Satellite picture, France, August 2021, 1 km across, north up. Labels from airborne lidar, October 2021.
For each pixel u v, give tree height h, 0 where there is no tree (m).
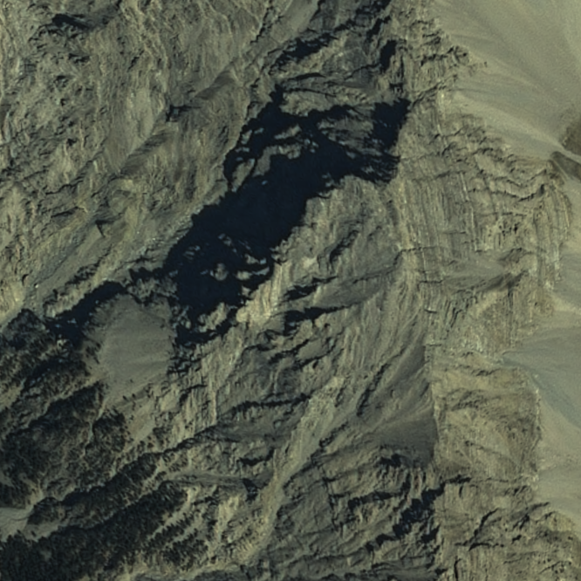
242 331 0
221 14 0
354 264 0
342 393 0
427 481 0
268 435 0
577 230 0
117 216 0
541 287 0
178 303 0
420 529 0
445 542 0
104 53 0
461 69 0
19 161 0
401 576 0
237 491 0
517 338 0
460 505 0
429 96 0
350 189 0
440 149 0
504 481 0
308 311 0
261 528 0
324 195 0
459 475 0
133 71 0
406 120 0
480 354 0
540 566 0
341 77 0
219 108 0
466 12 0
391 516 0
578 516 0
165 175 0
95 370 0
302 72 0
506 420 0
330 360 0
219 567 0
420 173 0
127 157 0
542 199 0
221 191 0
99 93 0
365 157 0
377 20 0
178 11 0
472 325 0
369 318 0
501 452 0
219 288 0
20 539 10
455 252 0
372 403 0
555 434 0
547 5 0
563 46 0
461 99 0
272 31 0
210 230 0
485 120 0
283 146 0
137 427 0
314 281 0
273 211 0
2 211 0
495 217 0
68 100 0
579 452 0
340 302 0
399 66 0
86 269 0
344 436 0
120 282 0
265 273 0
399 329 0
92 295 0
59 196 0
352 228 0
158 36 0
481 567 0
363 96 0
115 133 0
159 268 0
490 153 0
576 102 0
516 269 0
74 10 0
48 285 0
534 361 0
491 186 0
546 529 0
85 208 0
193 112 0
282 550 0
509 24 0
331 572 0
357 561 0
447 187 0
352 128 0
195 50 0
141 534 8
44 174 0
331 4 0
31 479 9
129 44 0
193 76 0
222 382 0
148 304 0
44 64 0
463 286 0
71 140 0
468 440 0
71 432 7
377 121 0
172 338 0
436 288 0
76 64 0
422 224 0
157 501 7
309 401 0
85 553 8
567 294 0
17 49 0
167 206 0
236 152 0
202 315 0
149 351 0
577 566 0
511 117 0
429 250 0
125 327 0
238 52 0
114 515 5
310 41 0
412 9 0
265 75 0
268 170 0
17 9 0
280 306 0
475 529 0
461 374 0
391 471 0
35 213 0
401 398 0
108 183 0
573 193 0
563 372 0
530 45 0
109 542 11
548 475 0
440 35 0
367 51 0
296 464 0
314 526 0
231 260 0
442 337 0
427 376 0
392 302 0
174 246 0
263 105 0
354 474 0
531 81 0
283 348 0
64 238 0
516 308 0
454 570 0
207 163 0
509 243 0
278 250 0
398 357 0
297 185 0
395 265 0
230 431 0
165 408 0
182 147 0
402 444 0
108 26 0
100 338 0
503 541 0
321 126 0
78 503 6
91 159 0
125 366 0
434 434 0
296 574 0
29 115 0
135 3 0
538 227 0
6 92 0
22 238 0
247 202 0
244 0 0
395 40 0
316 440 0
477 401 0
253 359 0
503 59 0
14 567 12
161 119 0
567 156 0
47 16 0
